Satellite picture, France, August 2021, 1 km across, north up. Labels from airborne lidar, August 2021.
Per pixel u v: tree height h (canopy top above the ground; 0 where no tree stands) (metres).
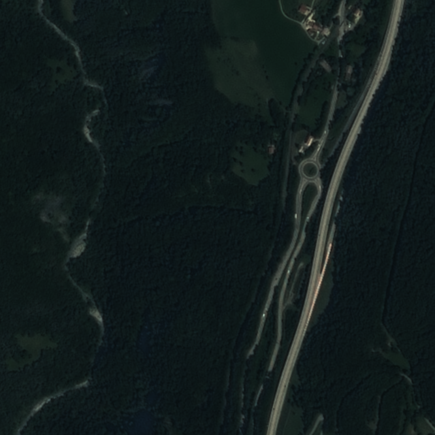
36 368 18
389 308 20
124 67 18
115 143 19
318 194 0
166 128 17
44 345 0
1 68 24
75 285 9
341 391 23
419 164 17
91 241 11
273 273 13
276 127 13
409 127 26
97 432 21
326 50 0
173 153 13
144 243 27
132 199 10
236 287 27
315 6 7
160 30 10
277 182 6
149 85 12
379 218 25
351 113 0
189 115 14
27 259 23
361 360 18
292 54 0
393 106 28
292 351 0
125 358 19
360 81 14
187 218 30
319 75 7
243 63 0
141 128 8
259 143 11
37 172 20
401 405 21
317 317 0
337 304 21
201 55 21
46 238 21
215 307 26
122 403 14
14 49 26
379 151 25
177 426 21
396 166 19
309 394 19
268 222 26
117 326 23
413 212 23
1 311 21
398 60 8
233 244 23
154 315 17
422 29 23
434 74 26
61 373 21
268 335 10
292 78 0
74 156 14
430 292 20
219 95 17
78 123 17
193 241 30
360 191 29
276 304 13
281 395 0
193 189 12
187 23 10
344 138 8
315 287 0
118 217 7
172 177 12
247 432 22
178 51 20
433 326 14
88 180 16
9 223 21
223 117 20
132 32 16
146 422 0
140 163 14
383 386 14
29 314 13
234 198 12
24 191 21
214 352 27
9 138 18
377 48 18
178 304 20
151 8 15
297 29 0
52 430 22
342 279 26
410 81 7
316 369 21
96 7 14
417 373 20
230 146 17
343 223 21
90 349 19
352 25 0
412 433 0
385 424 18
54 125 19
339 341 31
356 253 27
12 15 14
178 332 16
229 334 20
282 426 0
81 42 20
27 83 18
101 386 10
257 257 23
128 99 16
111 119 14
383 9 7
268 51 0
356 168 8
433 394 20
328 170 9
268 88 0
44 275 15
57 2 19
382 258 24
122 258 26
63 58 15
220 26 0
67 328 20
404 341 17
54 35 20
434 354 24
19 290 21
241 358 16
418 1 7
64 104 15
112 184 13
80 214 18
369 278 29
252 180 0
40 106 21
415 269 27
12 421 11
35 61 23
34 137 15
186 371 25
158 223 35
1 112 21
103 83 15
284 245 17
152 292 31
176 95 16
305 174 0
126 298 23
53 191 9
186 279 26
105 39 20
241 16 0
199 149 11
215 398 25
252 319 18
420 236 22
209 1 12
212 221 19
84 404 15
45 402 8
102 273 13
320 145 0
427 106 22
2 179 28
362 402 21
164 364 24
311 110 0
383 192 25
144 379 7
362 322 32
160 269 28
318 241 0
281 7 0
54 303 20
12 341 20
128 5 10
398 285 25
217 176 7
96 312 0
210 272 25
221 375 16
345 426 17
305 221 0
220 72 0
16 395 13
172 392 25
